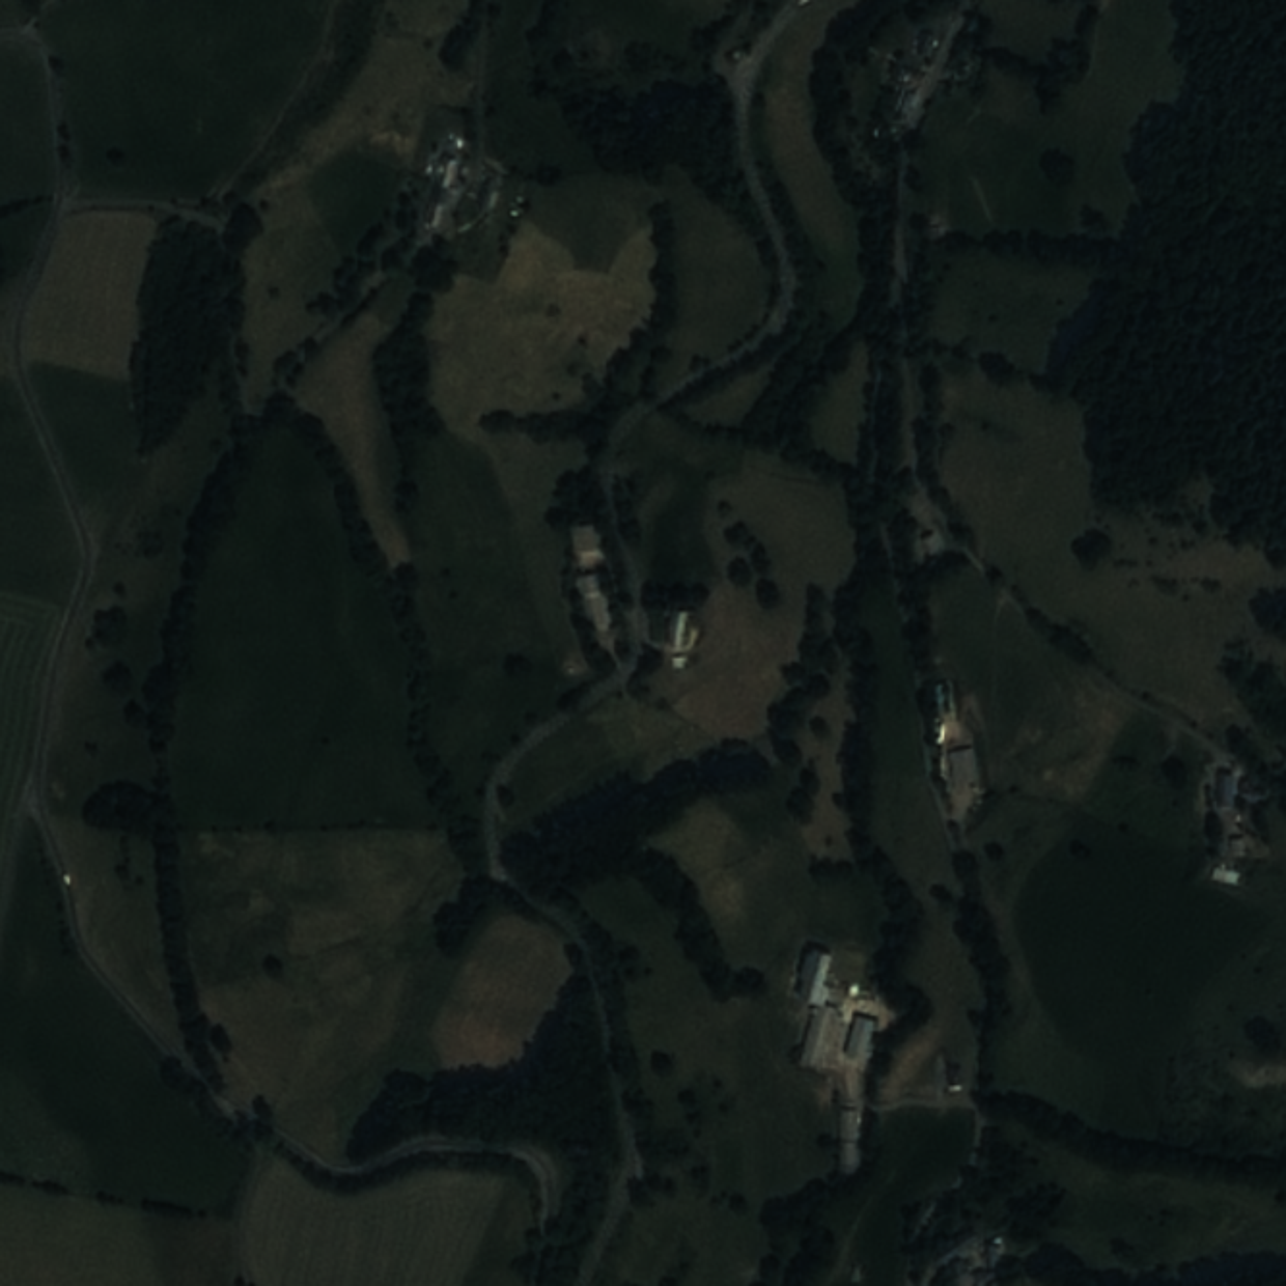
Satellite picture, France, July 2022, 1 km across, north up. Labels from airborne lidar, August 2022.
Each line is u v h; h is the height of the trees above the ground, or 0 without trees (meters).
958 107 0
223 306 19
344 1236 0
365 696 0
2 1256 0
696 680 0
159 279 11
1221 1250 0
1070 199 0
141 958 0
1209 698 0
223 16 0
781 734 12
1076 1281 27
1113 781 0
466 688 0
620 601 12
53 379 0
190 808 0
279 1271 0
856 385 0
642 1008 0
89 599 0
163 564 0
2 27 0
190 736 0
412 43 0
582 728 0
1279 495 18
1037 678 0
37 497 0
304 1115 0
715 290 0
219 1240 0
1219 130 17
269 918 0
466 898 18
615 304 0
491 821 0
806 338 12
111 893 0
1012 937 0
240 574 0
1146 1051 0
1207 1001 0
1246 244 21
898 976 31
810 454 16
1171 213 17
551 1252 19
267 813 0
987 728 0
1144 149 21
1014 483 0
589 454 13
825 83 17
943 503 9
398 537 0
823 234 0
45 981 0
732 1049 0
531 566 0
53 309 0
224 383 8
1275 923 0
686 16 0
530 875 18
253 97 0
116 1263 0
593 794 0
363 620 0
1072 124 0
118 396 0
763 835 0
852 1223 0
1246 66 22
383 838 0
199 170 0
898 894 23
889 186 8
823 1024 0
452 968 0
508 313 0
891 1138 0
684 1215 0
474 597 0
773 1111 0
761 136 0
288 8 0
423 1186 0
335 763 0
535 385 0
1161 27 0
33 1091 0
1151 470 22
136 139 0
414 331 10
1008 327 0
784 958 0
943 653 0
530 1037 0
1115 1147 23
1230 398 17
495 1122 30
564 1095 27
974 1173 17
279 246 0
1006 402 0
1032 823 0
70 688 0
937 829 0
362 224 0
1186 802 0
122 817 15
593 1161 13
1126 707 0
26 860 0
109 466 0
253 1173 0
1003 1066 0
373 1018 0
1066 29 0
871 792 25
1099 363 20
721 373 12
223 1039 20
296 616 0
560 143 0
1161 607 0
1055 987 0
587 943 14
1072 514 0
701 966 13
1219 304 17
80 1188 0
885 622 0
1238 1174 23
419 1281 0
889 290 8
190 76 0
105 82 0
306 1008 0
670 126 29
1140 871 0
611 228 0
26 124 0
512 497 0
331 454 15
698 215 0
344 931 0
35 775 0
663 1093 0
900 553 12
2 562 0
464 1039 0
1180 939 0
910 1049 0
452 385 0
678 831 0
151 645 0
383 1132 16
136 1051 0
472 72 0
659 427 0
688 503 0
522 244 0
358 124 0
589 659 10
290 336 0
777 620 0
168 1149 0
